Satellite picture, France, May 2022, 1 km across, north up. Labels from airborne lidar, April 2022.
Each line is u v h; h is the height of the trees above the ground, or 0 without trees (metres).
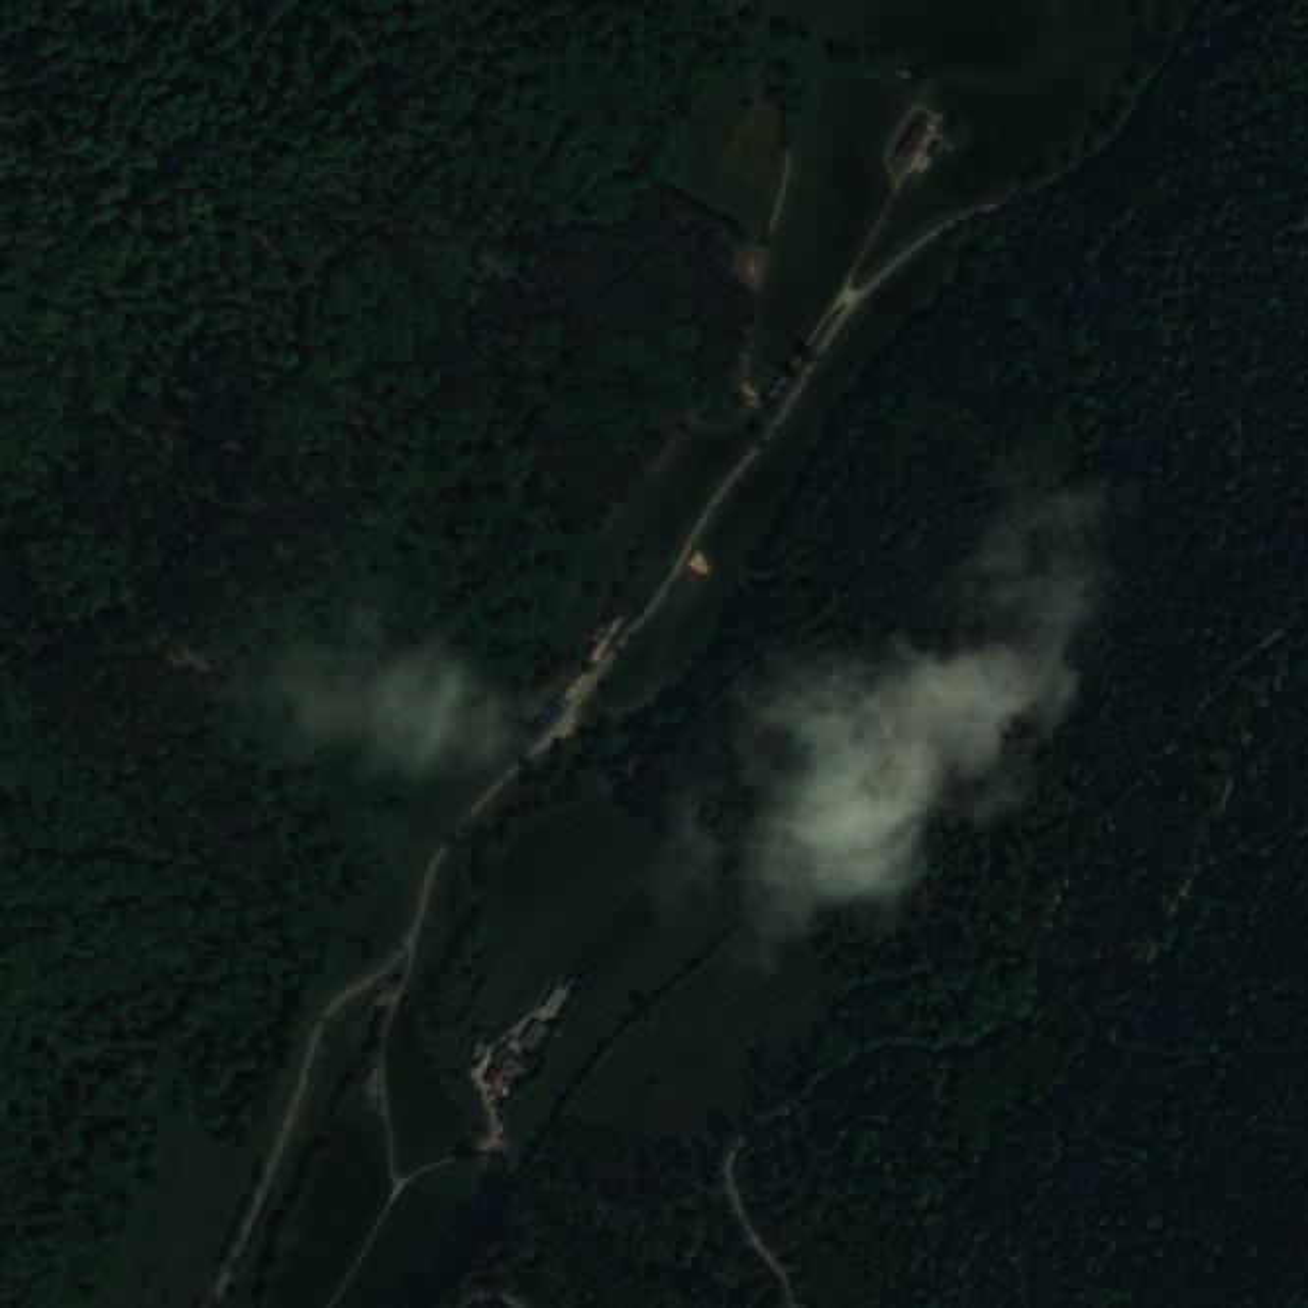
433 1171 0
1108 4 0
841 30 0
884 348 0
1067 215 17
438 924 0
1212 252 30
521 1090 9
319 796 6
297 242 32
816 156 0
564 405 26
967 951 36
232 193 34
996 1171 33
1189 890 0
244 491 31
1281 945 27
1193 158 34
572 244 34
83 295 26
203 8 37
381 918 0
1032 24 0
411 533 29
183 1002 17
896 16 0
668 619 0
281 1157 0
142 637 33
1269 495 25
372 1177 0
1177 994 28
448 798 0
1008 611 28
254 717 18
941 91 0
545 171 26
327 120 32
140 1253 0
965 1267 22
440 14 29
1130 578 32
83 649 35
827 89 0
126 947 27
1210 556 32
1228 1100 27
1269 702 0
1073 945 26
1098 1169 34
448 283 32
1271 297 30
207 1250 0
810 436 0
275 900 27
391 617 23
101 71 37
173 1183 0
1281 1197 28
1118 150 10
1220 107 31
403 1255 0
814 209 0
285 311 32
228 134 35
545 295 31
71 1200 27
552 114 13
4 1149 7
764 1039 0
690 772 26
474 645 21
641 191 34
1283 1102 25
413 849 0
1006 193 0
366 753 28
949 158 0
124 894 33
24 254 29
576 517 22
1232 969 26
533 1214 7
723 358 28
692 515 0
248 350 34
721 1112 0
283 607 27
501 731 0
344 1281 0
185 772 28
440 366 31
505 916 0
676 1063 0
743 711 27
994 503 18
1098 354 28
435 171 26
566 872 0
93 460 42
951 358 26
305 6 35
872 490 24
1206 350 26
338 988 0
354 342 25
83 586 28
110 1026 8
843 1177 21
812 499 27
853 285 0
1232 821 11
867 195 0
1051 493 29
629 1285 11
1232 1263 29
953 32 0
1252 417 28
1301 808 31
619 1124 0
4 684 30
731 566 0
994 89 0
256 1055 45
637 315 27
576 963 0
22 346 29
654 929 0
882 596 22
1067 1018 6
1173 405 31
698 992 0
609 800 0
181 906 38
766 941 0
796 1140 10
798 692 23
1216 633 32
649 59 22
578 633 0
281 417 29
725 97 0
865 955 12
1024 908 12
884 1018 12
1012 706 38
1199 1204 29
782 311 0
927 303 0
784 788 21
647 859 0
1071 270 11
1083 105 0
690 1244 31
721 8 26
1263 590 32
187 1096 33
